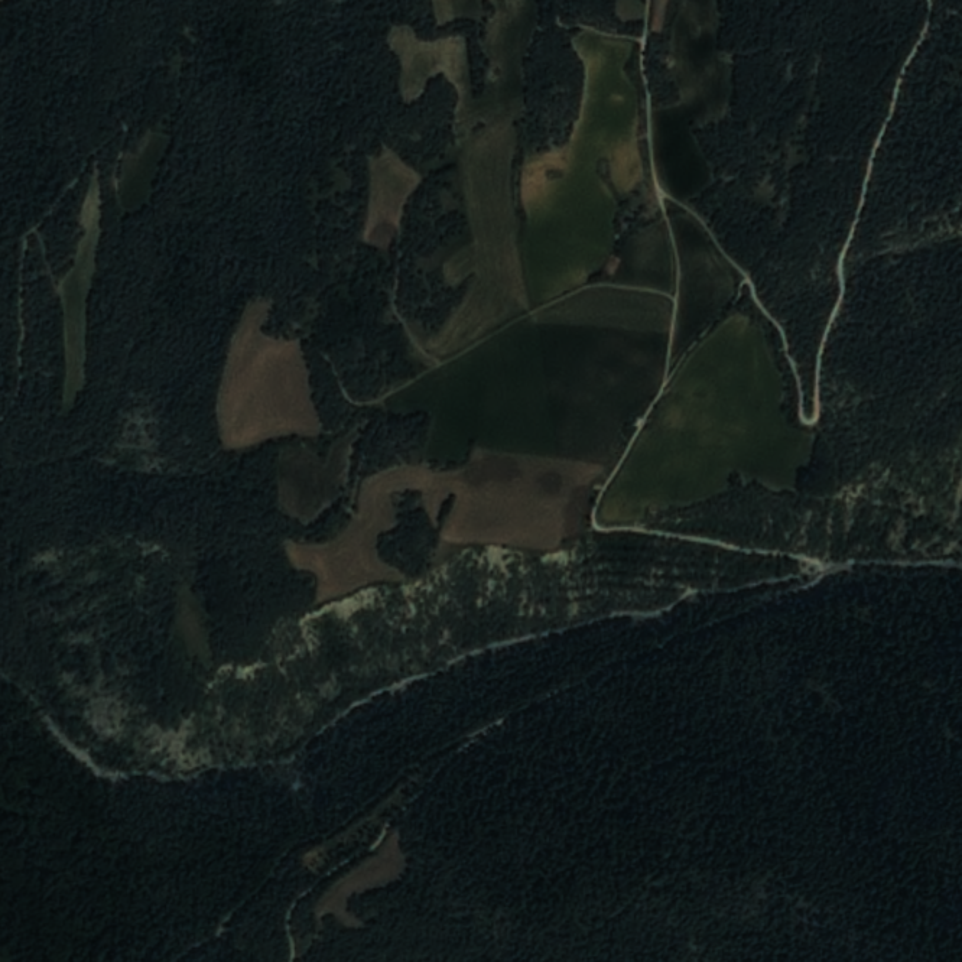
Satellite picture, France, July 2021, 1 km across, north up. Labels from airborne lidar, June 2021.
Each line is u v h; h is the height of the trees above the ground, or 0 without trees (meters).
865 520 9
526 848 21
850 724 18
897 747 19
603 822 20
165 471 7
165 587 6
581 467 0
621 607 10
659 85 7
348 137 7
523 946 10
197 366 7
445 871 11
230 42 14
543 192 0
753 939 10
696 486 0
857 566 10
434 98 9
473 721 11
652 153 0
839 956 8
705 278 0
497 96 0
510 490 0
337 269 6
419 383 0
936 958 10
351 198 9
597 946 12
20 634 10
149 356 8
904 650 22
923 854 14
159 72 9
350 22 6
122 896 14
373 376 7
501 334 0
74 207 9
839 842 14
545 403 0
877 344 6
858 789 20
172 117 7
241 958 20
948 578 9
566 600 10
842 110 12
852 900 10
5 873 17
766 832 15
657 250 0
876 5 8
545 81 8
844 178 7
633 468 0
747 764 24
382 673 7
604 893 14
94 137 9
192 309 9
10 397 9
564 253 0
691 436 0
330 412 8
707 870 14
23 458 9
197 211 10
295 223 8
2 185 14
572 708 14
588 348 0
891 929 18
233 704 7
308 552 0
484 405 0
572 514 0
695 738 22
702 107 0
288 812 16
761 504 6
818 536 9
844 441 6
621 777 14
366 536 0
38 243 9
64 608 10
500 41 0
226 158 8
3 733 18
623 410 0
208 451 8
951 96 12
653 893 13
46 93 7
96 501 6
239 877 11
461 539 0
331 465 0
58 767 14
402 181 0
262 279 10
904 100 6
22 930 18
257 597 9
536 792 19
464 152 0
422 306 7
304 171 10
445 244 7
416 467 0
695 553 10
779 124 8
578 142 0
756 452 0
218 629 9
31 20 11
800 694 11
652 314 0
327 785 12
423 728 9
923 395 6
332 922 7
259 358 0
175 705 11
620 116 0
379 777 9
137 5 11
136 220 12
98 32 11
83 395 6
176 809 20
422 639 7
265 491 10
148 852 17
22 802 13
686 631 13
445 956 9
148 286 10
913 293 6
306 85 6
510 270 0
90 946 16
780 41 8
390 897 11
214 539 10
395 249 7
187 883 11
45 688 8
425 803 17
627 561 14
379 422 8
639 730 18
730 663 16
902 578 14
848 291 7
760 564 11
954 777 18
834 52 9
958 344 7
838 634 22
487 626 7
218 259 9
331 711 9
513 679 15
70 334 0
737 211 8
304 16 8
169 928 19
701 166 0
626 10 0
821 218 8
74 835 7
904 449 7
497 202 0
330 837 8
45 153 18
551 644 9
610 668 18
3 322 7
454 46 0
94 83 13
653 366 0
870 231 6
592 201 0
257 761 11
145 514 12
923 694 12
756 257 7
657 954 11
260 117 9
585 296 0
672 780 20
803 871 10
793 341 8
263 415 0
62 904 14
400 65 5
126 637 6
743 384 0
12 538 11
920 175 7
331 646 8
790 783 15
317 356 8
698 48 0
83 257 0
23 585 11
